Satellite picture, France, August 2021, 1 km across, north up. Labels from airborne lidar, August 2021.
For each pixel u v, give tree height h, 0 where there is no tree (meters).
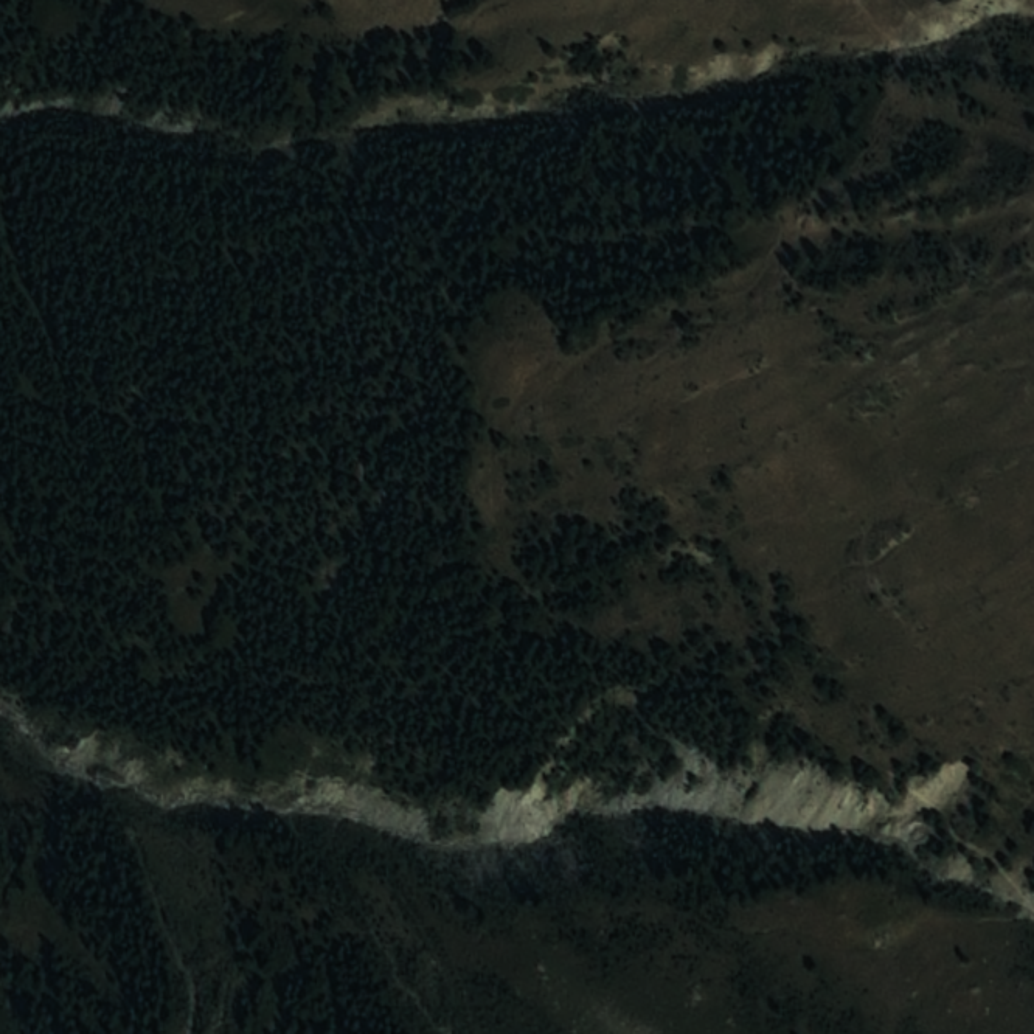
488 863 0
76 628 20
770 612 0
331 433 23
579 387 0
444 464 15
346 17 0
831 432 0
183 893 0
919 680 0
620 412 0
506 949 0
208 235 21
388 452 9
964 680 0
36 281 24
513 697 18
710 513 0
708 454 0
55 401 26
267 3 0
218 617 23
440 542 25
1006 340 0
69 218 14
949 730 0
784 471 0
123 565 20
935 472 0
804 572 0
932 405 0
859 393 0
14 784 0
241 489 18
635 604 0
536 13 0
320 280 7
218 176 17
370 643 15
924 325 0
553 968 0
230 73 21
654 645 0
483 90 0
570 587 26
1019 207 0
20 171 22
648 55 0
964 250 0
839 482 0
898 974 0
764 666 18
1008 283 0
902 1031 0
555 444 0
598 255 22
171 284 13
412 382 7
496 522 0
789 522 0
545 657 25
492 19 0
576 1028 0
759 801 0
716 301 0
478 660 22
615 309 14
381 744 13
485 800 16
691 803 0
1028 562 0
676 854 19
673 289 18
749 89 9
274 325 16
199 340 22
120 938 23
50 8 0
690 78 0
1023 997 0
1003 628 0
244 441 21
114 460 25
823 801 0
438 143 14
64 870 15
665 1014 0
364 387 13
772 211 20
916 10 0
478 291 12
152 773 0
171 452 21
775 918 0
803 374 0
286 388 24
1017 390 0
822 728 0
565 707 24
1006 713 0
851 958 0
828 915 0
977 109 12
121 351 20
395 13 0
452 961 0
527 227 16
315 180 16
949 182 0
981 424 0
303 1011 20
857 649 0
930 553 0
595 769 10
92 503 24
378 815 0
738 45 0
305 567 23
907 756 0
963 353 0
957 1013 0
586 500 0
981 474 0
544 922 0
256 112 14
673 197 12
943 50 0
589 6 0
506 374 0
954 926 0
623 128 14
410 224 12
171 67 21
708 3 0
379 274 14
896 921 0
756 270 0
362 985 16
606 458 0
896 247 0
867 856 8
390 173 16
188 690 17
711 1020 0
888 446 0
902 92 0
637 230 8
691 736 20
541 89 0
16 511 25
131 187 19
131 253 22
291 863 12
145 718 17
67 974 16
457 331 19
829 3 0
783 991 0
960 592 0
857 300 0
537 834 0
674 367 0
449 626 22
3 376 24
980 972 0
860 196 10
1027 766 0
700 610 0
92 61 16
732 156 23
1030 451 0
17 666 27
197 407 19
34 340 24
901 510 0
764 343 0
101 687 11
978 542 0
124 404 18
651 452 0
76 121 8
